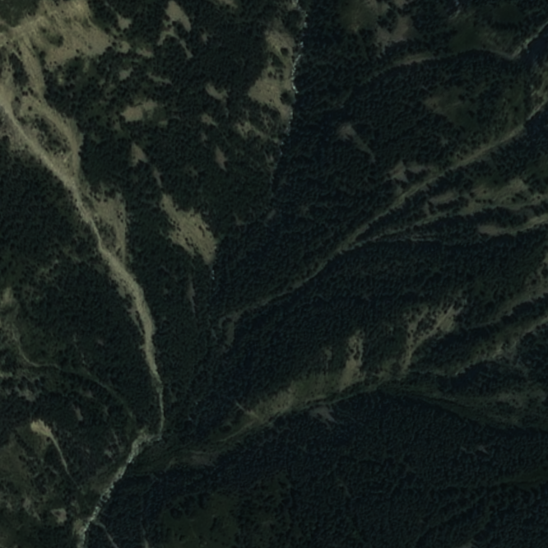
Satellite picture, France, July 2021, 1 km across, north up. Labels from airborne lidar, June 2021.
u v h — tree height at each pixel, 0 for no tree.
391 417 19
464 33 0
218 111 19
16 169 17
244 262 10
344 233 18
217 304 31
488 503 23
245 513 7
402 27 0
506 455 26
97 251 9
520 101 0
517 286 30
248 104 14
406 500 27
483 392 22
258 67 20
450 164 13
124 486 24
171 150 16
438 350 19
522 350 6
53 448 7
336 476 23
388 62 18
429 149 25
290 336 28
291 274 26
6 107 0
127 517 17
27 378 16
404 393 6
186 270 30
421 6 9
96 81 12
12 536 0
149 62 17
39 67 0
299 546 9
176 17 0
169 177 19
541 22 9
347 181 21
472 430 27
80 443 9
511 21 0
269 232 19
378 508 27
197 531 0
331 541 13
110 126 20
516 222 15
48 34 0
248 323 11
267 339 38
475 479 19
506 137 0
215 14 21
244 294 25
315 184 33
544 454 30
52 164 0
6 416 14
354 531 12
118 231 0
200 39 27
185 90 17
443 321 0
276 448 17
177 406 18
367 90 23
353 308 29
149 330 0
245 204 27
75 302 25
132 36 6
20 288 11
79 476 8
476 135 13
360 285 31
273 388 16
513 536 18
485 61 7
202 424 10
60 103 18
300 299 21
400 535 31
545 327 8
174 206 8
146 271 20
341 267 21
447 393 28
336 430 15
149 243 28
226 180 22
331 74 12
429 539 27
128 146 14
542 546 24
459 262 21
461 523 26
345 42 14
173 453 6
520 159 12
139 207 24
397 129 21
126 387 24
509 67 17
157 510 20
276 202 18
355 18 0
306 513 21
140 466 9
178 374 24
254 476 17
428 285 28
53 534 15
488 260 21
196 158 22
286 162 22
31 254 21
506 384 15
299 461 19
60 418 20
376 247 21
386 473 28
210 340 21
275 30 0
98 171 20
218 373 22
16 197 26
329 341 12
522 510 26
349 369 0
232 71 16
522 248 25
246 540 8
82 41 0
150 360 0
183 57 18
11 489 9
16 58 11
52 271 14
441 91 0
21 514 6
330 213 16
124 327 25
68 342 9
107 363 26
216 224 6
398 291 28
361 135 23
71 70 6
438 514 29
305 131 17
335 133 29
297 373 18
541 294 0
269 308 11
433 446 26
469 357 19
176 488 19
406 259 12
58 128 0
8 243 20
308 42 11
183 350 25
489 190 0
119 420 24
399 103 20
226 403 12
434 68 9
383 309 25
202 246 0
